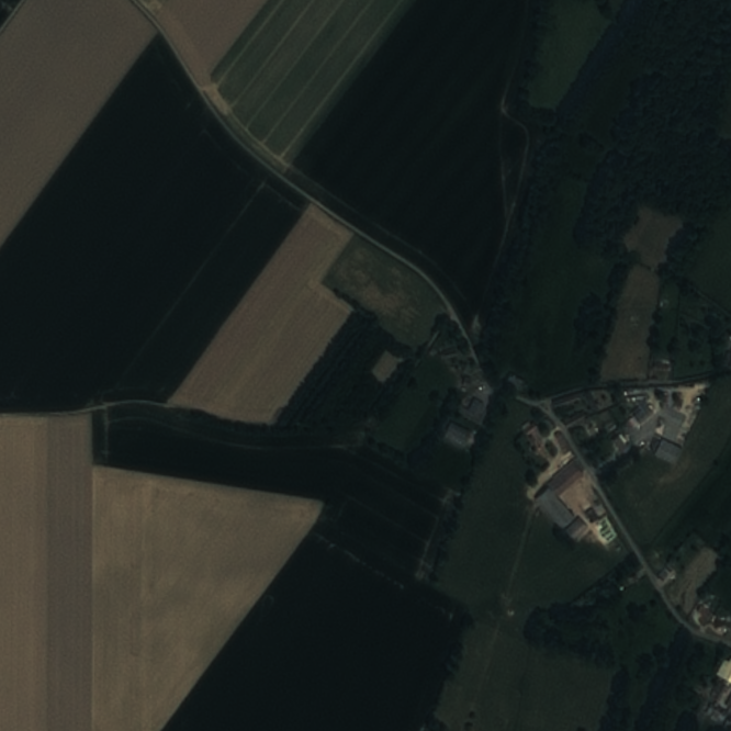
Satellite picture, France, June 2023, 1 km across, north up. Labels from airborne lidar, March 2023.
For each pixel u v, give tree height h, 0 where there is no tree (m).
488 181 0
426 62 0
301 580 0
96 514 0
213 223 0
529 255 24
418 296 0
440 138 0
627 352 0
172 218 0
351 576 0
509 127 0
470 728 7
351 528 0
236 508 0
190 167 0
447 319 12
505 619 0
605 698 0
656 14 39
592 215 23
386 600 0
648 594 0
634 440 0
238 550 0
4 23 0
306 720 0
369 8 0
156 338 0
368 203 0
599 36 0
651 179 28
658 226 0
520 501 0
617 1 0
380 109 0
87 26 0
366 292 0
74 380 0
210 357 0
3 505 0
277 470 0
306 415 14
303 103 0
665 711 19
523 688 0
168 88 0
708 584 7
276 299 0
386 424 0
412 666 0
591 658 31
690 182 26
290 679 0
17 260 0
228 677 0
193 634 0
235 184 0
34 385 0
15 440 0
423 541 0
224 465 0
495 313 12
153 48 0
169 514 0
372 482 0
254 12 0
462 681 0
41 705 0
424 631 0
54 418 0
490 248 0
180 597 0
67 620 0
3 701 0
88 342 0
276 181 0
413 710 0
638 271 0
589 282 0
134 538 0
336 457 0
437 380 0
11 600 0
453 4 0
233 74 0
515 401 0
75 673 0
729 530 0
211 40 0
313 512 0
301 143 0
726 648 9
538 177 13
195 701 0
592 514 0
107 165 0
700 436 0
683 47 26
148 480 0
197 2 0
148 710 0
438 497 0
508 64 0
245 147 0
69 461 0
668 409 0
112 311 0
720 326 17
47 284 0
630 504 0
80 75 0
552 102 0
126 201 0
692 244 27
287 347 0
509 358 0
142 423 0
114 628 0
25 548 0
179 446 0
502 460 0
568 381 0
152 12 0
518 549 0
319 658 0
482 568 0
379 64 0
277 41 0
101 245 0
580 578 0
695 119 27
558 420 0
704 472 0
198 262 0
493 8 0
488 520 0
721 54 25
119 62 0
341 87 0
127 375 0
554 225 0
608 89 0
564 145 15
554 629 0
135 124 0
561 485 0
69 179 0
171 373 0
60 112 0
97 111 0
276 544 0
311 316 0
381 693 0
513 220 0
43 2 0
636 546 0
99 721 0
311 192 0
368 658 0
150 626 0
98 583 0
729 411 0
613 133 0
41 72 0
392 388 14
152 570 0
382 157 0
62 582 0
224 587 0
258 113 0
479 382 0
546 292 0
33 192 0
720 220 0
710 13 24
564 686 0
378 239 0
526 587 0
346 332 12
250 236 0
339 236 0
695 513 0
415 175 0
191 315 0
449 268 0
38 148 0
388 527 0
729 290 0
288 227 0
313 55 0
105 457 0
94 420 0
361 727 0
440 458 0
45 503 0
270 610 0
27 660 0
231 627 0
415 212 0
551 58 0
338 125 0
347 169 0
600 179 19
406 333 0
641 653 0
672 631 0
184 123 0
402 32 0
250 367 0
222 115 0
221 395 0
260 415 0
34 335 0
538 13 12
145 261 0
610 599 19
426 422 0
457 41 0
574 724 0
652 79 28
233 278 0
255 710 0
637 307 0
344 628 0
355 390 13
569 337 0
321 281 0
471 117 0
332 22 0
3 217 0
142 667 0
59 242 0
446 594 0
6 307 0
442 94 0
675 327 0
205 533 0
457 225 0
